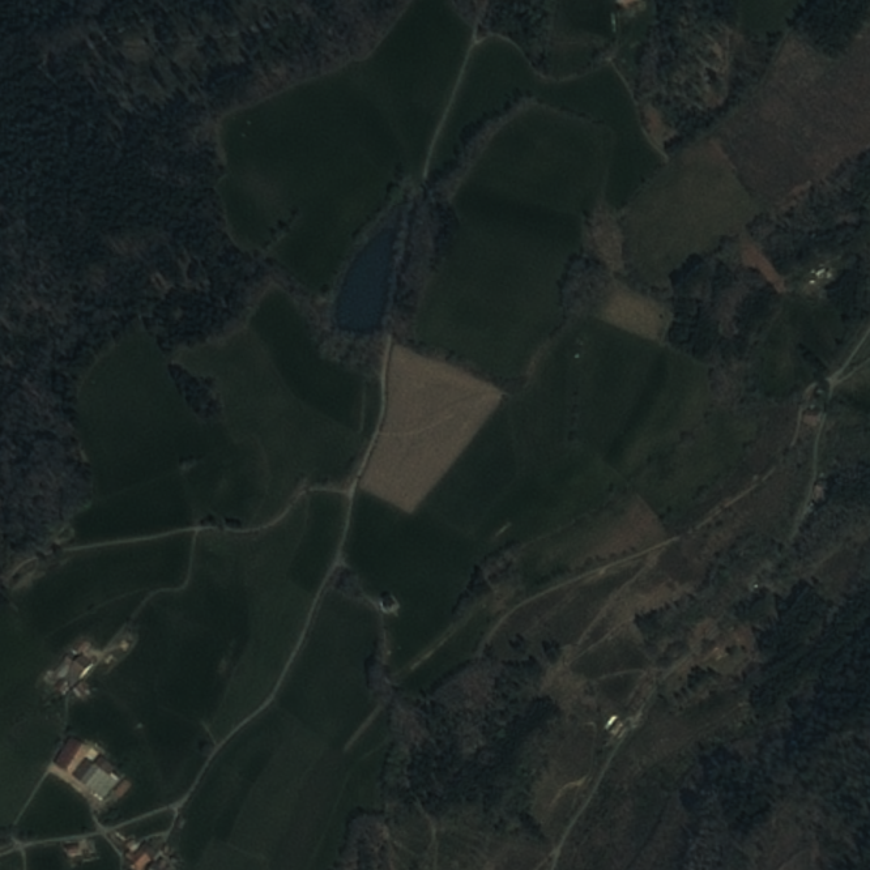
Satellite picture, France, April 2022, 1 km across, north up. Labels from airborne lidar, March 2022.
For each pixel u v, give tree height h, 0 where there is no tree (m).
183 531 0
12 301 27
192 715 0
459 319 0
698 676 11
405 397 0
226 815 0
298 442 0
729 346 20
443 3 0
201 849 0
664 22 15
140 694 0
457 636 0
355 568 0
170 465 0
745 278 23
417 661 0
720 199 0
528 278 0
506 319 0
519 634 0
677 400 0
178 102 0
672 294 10
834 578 0
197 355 0
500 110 0
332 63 18
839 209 25
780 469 12
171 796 0
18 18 19
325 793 0
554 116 0
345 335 17
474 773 24
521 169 0
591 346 0
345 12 27
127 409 0
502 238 0
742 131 0
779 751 29
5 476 29
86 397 0
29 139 27
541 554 0
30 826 0
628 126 0
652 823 7
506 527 0
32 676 0
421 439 0
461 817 14
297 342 0
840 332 0
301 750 0
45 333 7
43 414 33
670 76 22
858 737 7
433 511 0
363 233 14
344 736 0
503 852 0
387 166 0
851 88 0
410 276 24
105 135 22
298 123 0
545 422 0
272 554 0
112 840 0
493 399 0
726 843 27
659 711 0
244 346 0
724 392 19
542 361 0
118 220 26
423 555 0
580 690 0
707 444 0
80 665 0
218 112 17
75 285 29
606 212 0
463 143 0
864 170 26
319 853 0
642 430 0
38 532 30
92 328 14
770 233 24
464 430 0
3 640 0
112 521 0
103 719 0
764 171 0
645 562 0
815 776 22
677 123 15
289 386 0
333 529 0
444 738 23
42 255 27
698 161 0
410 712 22
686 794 0
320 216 0
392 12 23
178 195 21
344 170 0
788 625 28
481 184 0
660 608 0
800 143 0
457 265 0
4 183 27
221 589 0
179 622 0
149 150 26
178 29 25
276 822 0
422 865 0
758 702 29
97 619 0
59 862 0
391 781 22
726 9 27
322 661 0
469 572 0
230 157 0
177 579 0
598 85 0
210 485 0
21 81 22
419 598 0
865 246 9
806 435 7
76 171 24
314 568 0
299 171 0
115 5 27
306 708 0
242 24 26
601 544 0
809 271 10
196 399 28
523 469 0
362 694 0
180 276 24
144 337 0
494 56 0
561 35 0
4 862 0
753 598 20
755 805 26
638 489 0
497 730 21
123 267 21
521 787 23
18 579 6
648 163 0
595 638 0
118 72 20
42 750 0
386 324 14
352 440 0
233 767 0
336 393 0
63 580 0
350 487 0
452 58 0
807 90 0
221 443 0
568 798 0
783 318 0
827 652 29
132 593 0
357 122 0
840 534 25
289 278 15
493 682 24
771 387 0
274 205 0
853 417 0
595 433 0
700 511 0
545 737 18
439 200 23
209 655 0
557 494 0
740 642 0
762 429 6
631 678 0
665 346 0
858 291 20
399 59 0
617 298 0
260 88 26
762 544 7
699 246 0
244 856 0
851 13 18
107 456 0
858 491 29
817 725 25
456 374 0
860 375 0
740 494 0
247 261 25
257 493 0
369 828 25
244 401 0
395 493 0
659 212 0
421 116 0
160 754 0
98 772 0
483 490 0
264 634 0
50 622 0
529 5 8
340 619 0
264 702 0
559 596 0
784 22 0
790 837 0
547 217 0
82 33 32
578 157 0
